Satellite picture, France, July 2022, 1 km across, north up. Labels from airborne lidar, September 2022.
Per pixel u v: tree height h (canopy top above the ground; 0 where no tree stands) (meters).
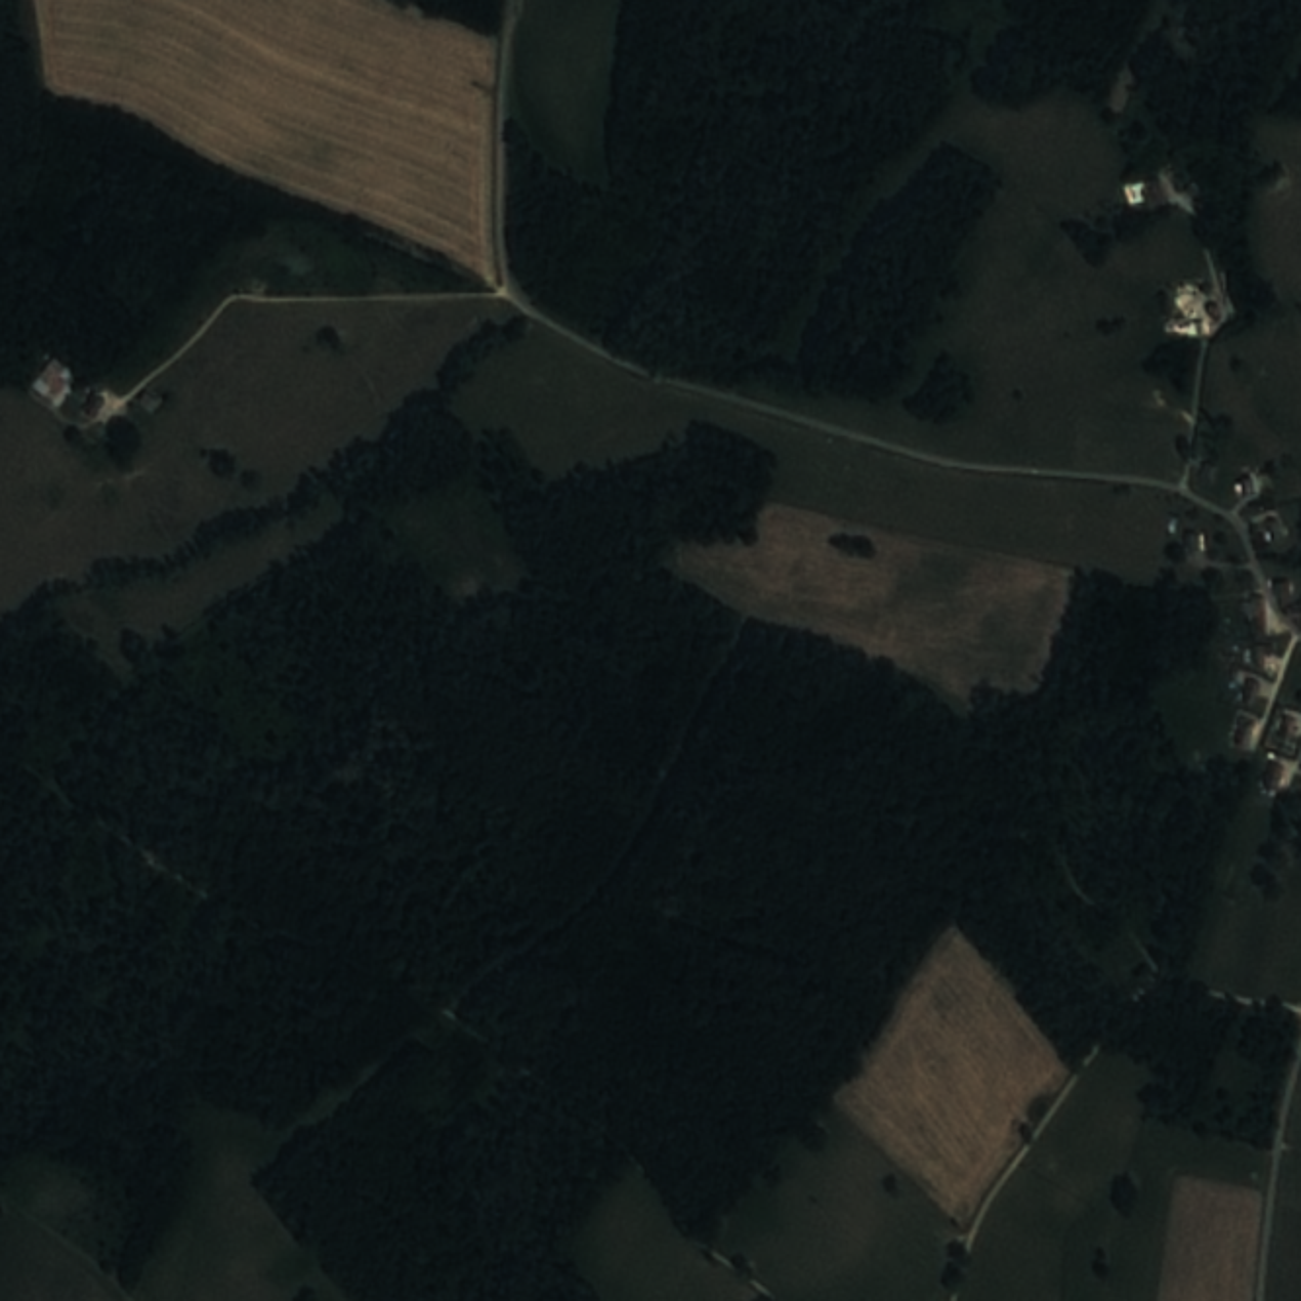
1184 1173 0
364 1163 10
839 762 24
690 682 21
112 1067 19
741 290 17
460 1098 6
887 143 15
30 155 17
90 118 15
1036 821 22
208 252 17
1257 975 0
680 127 9
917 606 0
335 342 18
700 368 17
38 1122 16
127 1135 26
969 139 0
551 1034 21
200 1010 24
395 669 26
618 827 20
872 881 21
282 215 11
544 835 20
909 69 23
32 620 22
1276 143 0
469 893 9
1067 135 0
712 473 14
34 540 0
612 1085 19
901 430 0
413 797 31
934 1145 0
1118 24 16
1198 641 18
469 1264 9
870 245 17
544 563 21
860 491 0
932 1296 0
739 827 21
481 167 0
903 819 24
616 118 18
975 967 0
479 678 30
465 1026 15
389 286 0
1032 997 21
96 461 0
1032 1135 13
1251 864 0
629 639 21
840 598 0
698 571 0
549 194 18
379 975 21
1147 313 0
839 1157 0
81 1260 0
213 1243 0
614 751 20
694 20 22
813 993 23
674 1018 21
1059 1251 0
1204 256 0
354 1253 21
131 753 25
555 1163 26
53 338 13
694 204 16
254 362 0
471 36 0
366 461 19
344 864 19
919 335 19
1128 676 9
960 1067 0
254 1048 9
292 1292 0
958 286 16
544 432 0
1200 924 13
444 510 0
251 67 0
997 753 16
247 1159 0
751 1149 24
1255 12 10
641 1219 0
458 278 10
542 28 0
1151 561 0
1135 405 0
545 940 15
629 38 21
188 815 23
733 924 8
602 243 6
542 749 28
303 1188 15
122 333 24
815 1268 0
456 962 14
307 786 19
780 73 20
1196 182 7
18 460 0
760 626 16
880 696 26
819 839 24
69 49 0
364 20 0
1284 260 0
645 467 7
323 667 21
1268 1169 0
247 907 19
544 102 0
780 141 19
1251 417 0
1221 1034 13
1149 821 24
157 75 0
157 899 13
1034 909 27
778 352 0
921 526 0
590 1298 28
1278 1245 0
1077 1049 17
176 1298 0
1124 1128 0
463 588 0
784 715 27
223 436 0
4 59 22
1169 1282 0
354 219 11
